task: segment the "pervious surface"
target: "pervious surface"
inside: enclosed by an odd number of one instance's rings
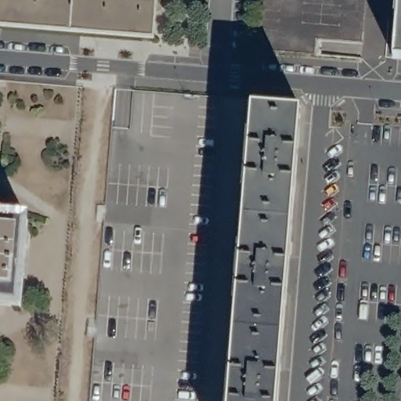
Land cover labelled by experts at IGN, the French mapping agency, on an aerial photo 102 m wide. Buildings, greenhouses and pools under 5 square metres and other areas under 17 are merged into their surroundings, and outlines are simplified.
[[[96,284],[102,222],[97,221],[97,211],[94,211],[99,174],[97,160],[102,146],[103,128],[107,127],[103,124],[103,117],[111,96],[111,88],[117,81],[114,74],[81,72],[81,80],[77,81],[81,88],[96,89],[97,97],[94,127],[89,136],[88,154],[85,154],[89,158],[88,166],[83,174],[85,179],[81,190],[78,190],[80,197],[77,215],[80,229],[75,230],[72,238],[74,282],[69,293],[74,296],[74,340],[69,370],[69,392],[66,393],[69,401],[83,401],[86,398],[88,384],[89,352],[85,354],[83,329],[89,302],[89,288]]]

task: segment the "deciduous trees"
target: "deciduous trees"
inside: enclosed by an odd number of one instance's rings
[[[243,22],[247,27],[260,27],[265,22],[266,5],[260,2],[247,2],[244,5]]]
[[[23,285],[22,304],[31,316],[34,313],[50,313],[49,290],[41,280],[36,287]]]
[[[190,45],[197,45],[202,52],[210,49],[213,22],[213,11],[208,8],[207,0],[160,0],[164,8],[163,16],[168,19],[164,28],[158,30],[163,33],[163,41],[179,45],[182,44],[182,39],[186,38]]]
[[[0,343],[0,384],[6,381],[16,352],[13,341],[9,340],[8,343]]]
[[[359,384],[362,384],[365,401],[401,401],[401,338],[392,335],[387,337],[390,352],[385,368],[390,370],[388,376],[384,378],[373,371],[359,374]]]

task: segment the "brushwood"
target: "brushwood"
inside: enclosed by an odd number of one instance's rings
[[[3,133],[0,146],[0,163],[8,177],[16,174],[20,166],[19,154],[11,146],[11,136],[9,132]]]
[[[38,211],[27,211],[31,237],[38,235],[38,230],[44,227],[44,222],[47,221],[47,216]]]
[[[66,144],[61,143],[60,138],[47,138],[45,141],[45,147],[41,152],[45,168],[53,171],[67,168],[69,160],[61,158],[61,154],[67,152]]]

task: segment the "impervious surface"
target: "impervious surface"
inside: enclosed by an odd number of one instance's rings
[[[23,285],[36,287],[41,280],[49,290],[50,313],[56,316],[61,313],[61,280],[66,249],[67,216],[25,188],[14,194],[8,177],[0,163],[0,204],[25,205],[27,211],[38,211],[47,216],[47,221],[44,222],[44,227],[38,230],[38,235],[31,237],[28,252],[23,254]]]
[[[9,335],[13,332],[27,327],[31,316],[22,304],[13,305],[13,302],[9,301],[6,305],[0,305],[0,343],[8,343],[9,340]]]
[[[50,388],[13,385],[6,381],[0,384],[0,401],[50,401],[53,392]]]
[[[266,5],[265,22],[260,27],[247,27],[243,22],[244,5],[247,2],[260,2]],[[244,125],[247,97],[251,94],[294,99],[304,96],[307,102],[305,114],[301,117],[302,149],[298,155],[301,166],[301,202],[298,215],[291,221],[294,244],[293,265],[290,266],[288,279],[291,305],[285,320],[285,338],[280,341],[280,348],[285,351],[285,362],[288,363],[288,367],[285,370],[285,378],[280,381],[280,398],[277,401],[365,401],[362,384],[359,384],[359,374],[373,371],[384,378],[388,376],[390,370],[385,368],[390,352],[387,337],[392,335],[401,338],[401,127],[373,125],[371,121],[376,114],[401,116],[401,60],[393,60],[392,55],[393,0],[207,0],[208,8],[213,11],[213,22],[210,49],[202,52],[197,45],[190,45],[186,38],[182,39],[182,44],[179,45],[163,41],[163,33],[158,30],[164,28],[168,19],[163,16],[164,8],[160,0],[154,0],[150,31],[154,36],[157,36],[158,42],[133,42],[78,38],[77,33],[0,27],[0,80],[69,86],[74,86],[77,81],[81,80],[81,72],[114,74],[117,81],[111,88],[111,96],[114,96],[114,103],[111,119],[108,119],[105,188],[102,199],[102,207],[105,207],[107,213],[103,216],[102,222],[96,284],[96,334],[91,338],[89,352],[88,384],[86,398],[83,401],[224,401],[233,260],[240,210]],[[277,60],[274,55],[276,50],[315,52],[316,58],[320,58],[321,53],[357,56],[362,58],[363,63],[329,63],[321,60],[282,58]]]
[[[0,146],[3,133],[9,132],[11,136],[30,133],[41,136],[45,141],[47,138],[60,138],[61,143],[66,144],[67,152],[74,152],[75,128],[78,124],[72,119],[49,121],[38,117],[13,116],[5,124],[0,124]]]

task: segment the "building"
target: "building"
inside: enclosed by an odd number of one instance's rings
[[[280,381],[285,378],[285,370],[288,367],[288,363],[285,362],[285,351],[280,348],[280,341],[285,338],[285,320],[291,305],[288,279],[290,266],[293,265],[294,244],[291,221],[298,215],[301,202],[301,166],[298,155],[302,149],[301,117],[305,114],[307,102],[304,96],[294,99],[251,94],[247,97],[244,125],[240,210],[233,260],[224,401],[277,401],[280,398]]]
[[[0,27],[77,33],[116,34],[139,38],[154,36],[150,31],[154,0],[0,0]]]
[[[25,205],[0,204],[0,305],[6,305],[9,301],[13,302],[13,305],[22,304],[23,285],[23,254],[28,252],[31,237],[27,211]]]
[[[393,0],[392,55],[393,60],[401,60],[401,0]]]

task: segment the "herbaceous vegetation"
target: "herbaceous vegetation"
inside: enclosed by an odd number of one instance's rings
[[[111,96],[103,117],[103,124],[107,127],[103,128],[102,146],[97,160],[99,174],[94,211],[97,211],[97,221],[102,222],[103,216],[107,213],[105,207],[102,207],[102,199],[105,188],[108,119],[111,119],[114,103],[114,96]]]
[[[91,338],[96,334],[96,284],[89,288],[89,302],[83,329],[85,354],[89,352]]]
[[[376,114],[371,121],[373,125],[401,127],[401,116]]]
[[[78,38],[133,42],[158,42],[157,36],[154,36],[139,38],[116,34],[77,33]]]
[[[77,81],[74,86],[69,86],[0,80],[0,124],[5,124],[13,116],[38,117],[49,121],[72,119],[78,124],[75,128],[74,152],[67,152],[61,154],[61,158],[69,160],[67,168],[53,171],[45,168],[41,152],[45,147],[45,141],[41,136],[30,133],[11,136],[11,146],[19,154],[20,166],[16,174],[8,177],[14,194],[25,188],[67,216],[66,249],[61,280],[61,313],[56,316],[50,313],[34,313],[31,316],[27,327],[13,332],[9,335],[9,340],[13,341],[16,352],[6,381],[13,385],[50,388],[53,392],[50,401],[69,401],[66,393],[69,392],[69,370],[74,340],[74,296],[69,293],[74,282],[72,238],[75,230],[80,229],[77,215],[80,197],[78,190],[81,190],[85,179],[83,174],[88,166],[89,158],[85,154],[88,154],[89,136],[94,127],[97,97],[96,89],[81,88]]]
[[[357,56],[321,53],[320,58],[316,58],[315,52],[276,50],[274,55],[277,60],[282,58],[321,60],[329,63],[363,63],[362,58]]]

